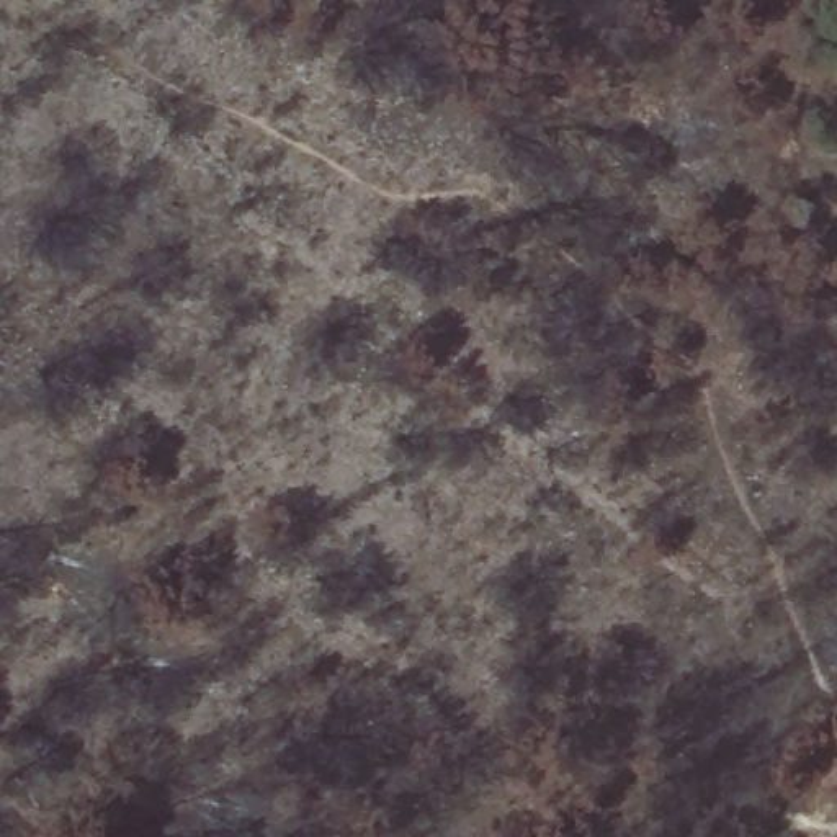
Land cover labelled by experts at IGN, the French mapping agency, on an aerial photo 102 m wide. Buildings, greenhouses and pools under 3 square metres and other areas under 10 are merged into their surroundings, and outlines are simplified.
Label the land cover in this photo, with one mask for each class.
<instances>
[{"label":"coniferous trees","instance_id":"1","mask_svg":"<svg viewBox=\"0 0 837 837\"><path fill-rule=\"evenodd\" d=\"M0 837H837V0H0Z\"/></svg>","mask_w":837,"mask_h":837}]
</instances>
